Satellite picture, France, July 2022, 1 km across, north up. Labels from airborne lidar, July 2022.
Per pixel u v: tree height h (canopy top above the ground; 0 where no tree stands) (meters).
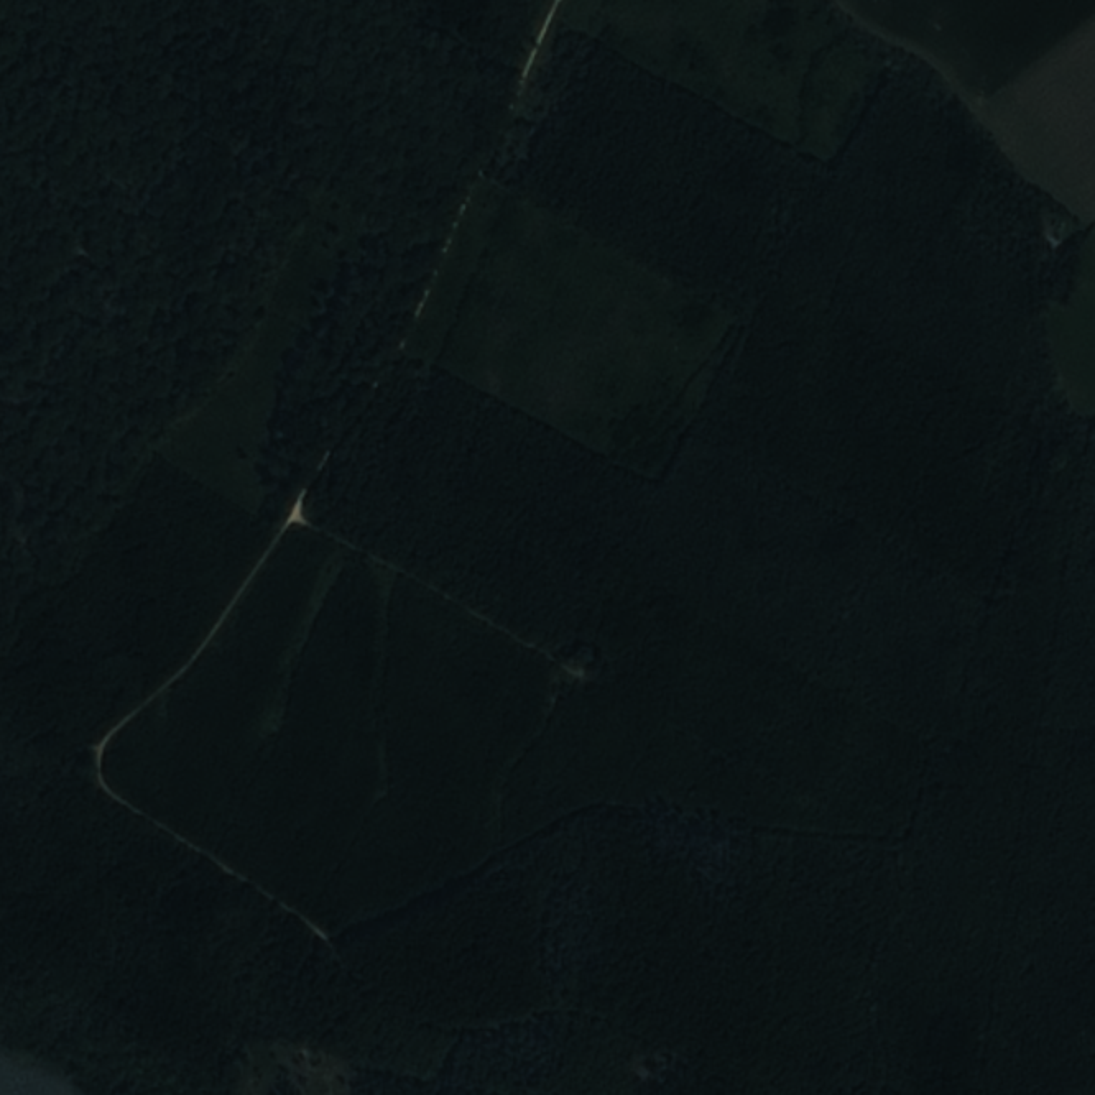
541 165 13
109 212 22
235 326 22
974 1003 13
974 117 15
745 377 9
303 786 7
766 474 12
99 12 21
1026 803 13
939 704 19
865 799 9
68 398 22
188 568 10
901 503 8
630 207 15
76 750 8
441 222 20
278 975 12
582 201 14
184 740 6
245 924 14
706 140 16
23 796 18
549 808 6
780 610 17
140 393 22
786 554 18
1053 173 0
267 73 25
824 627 16
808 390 7
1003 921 9
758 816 7
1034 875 12
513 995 23
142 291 22
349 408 20
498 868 10
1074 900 13
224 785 5
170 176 29
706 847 28
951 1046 19
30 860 13
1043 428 13
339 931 7
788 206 15
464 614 7
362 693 7
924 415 8
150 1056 16
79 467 21
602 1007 21
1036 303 17
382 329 21
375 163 26
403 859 10
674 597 17
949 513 9
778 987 12
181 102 26
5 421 17
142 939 12
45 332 22
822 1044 12
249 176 24
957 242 20
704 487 17
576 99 17
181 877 16
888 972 10
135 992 12
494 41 6
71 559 8
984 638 21
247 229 21
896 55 15
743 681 7
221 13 27
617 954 24
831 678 12
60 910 16
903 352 8
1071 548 12
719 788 8
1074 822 13
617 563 19
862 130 14
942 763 17
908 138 17
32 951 17
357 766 7
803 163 15
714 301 16
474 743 7
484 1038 26
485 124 25
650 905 26
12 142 23
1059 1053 14
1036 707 12
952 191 17
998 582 12
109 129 24
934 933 12
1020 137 0
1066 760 13
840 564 18
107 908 10
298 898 8
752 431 9
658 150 13
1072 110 0
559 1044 17
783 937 13
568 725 8
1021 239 11
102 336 25
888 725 8
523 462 15
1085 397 0
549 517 17
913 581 19
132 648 10
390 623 5
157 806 7
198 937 16
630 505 16
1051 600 13
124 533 10
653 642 8
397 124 25
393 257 26
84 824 12
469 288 6
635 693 7
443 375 15
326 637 8
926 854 9
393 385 12
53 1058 17
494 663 7
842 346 9
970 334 19
